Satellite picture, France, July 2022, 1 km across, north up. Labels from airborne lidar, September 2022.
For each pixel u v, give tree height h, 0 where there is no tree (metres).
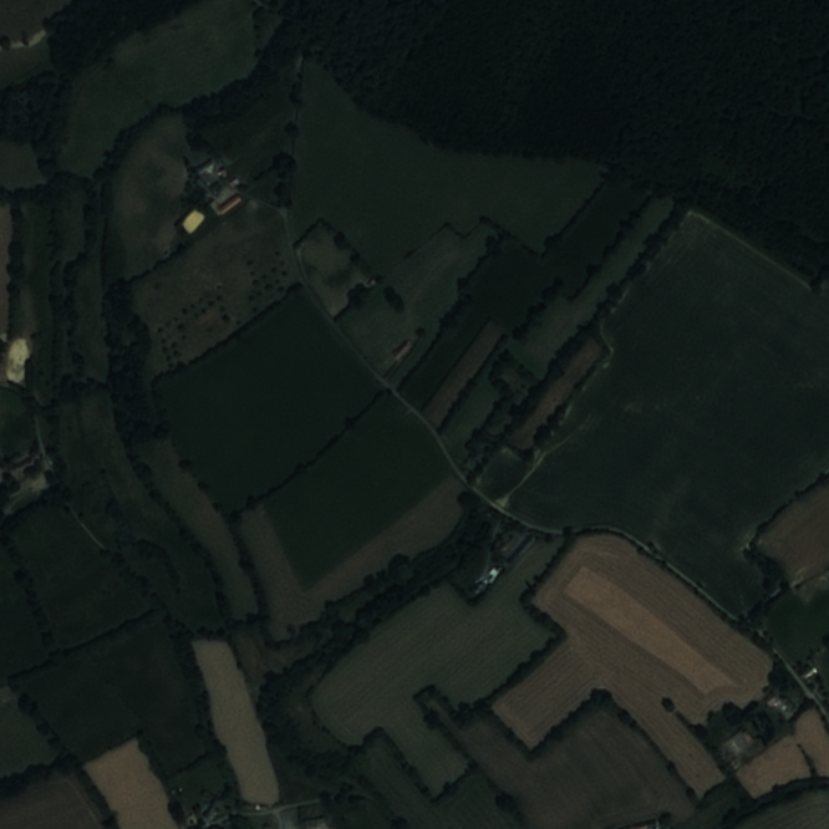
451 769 0
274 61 22
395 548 0
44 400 0
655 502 0
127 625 10
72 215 0
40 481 0
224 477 0
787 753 0
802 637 0
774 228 13
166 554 6
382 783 0
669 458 0
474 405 0
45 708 0
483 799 0
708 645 0
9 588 0
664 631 0
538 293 0
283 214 0
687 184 15
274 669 0
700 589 6
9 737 0
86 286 0
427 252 0
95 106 0
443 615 0
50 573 0
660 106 23
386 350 0
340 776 11
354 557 0
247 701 0
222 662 0
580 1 17
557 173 0
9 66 0
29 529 0
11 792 19
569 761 0
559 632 8
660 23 17
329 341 0
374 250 0
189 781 0
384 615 15
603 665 0
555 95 14
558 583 0
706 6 22
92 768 0
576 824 0
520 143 16
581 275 0
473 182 0
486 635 0
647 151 23
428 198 0
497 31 13
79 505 0
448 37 15
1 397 0
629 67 17
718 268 0
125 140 15
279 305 7
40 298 0
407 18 24
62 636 0
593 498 0
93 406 0
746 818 9
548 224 0
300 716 0
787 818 0
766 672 0
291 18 16
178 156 0
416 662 0
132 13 24
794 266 7
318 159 0
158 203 0
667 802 0
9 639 0
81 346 0
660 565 8
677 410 0
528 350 0
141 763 0
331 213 0
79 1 16
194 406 0
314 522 0
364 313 0
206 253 0
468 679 0
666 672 0
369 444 0
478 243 0
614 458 0
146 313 0
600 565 0
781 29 19
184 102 0
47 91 27
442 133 16
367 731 0
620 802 0
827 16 19
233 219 0
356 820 0
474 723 20
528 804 0
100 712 0
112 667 0
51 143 19
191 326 0
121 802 0
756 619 15
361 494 0
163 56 0
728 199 12
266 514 0
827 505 0
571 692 0
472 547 17
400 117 18
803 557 0
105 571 0
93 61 23
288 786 0
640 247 0
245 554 6
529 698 0
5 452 0
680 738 0
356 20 21
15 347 0
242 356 0
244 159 0
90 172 0
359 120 0
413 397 0
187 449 0
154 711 0
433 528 0
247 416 0
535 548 0
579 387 7
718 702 0
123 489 0
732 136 14
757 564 9
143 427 22
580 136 15
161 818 0
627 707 0
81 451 0
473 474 9
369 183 0
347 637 6
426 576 8
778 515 6
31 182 0
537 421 0
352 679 0
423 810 0
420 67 16
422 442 0
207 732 12
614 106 15
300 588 0
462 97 16
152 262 0
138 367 13
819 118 19
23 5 0
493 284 0
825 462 0
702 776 0
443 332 13
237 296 0
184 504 0
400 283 0
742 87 19
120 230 0
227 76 0
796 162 18
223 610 15
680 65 22
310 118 0
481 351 0
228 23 0
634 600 0
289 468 0
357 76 23
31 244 0
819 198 17
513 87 13
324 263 0
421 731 0
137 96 0
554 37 19
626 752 0
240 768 0
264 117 0
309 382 0
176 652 6
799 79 20
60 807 0
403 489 0
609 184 19
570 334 0
